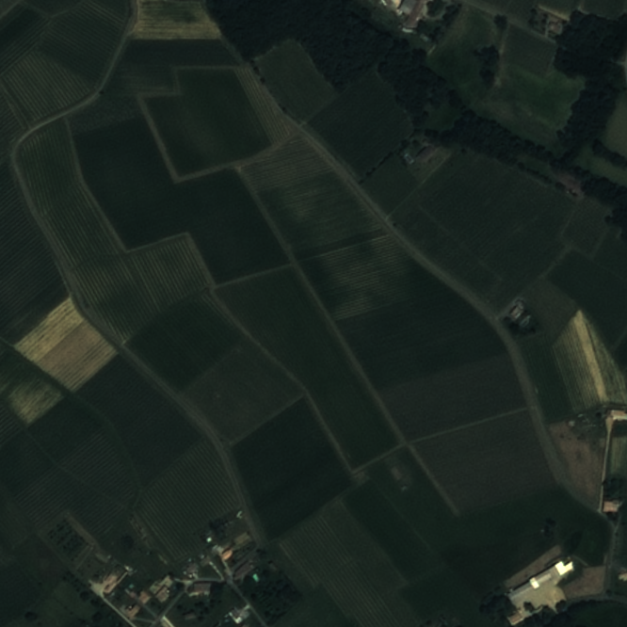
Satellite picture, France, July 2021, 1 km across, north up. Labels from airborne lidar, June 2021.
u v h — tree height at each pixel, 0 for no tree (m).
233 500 0
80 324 0
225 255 0
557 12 0
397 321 0
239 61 0
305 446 0
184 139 0
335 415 0
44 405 0
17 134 0
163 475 0
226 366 0
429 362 0
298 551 0
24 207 0
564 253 0
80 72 0
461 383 0
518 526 0
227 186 0
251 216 0
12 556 0
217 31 0
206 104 0
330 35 26
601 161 0
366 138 0
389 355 0
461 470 0
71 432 0
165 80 0
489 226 0
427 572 0
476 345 0
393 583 0
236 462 0
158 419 0
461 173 0
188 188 0
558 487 0
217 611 0
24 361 0
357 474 0
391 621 0
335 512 0
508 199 0
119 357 0
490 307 0
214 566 0
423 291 0
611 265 0
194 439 0
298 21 21
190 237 0
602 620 0
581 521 0
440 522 0
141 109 0
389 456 0
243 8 25
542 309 0
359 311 0
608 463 0
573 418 0
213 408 0
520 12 0
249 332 0
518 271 0
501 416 0
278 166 0
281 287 0
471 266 0
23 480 0
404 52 23
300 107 0
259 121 0
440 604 0
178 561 0
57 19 0
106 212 0
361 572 0
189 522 0
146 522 0
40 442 0
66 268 0
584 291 0
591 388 0
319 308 0
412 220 0
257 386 0
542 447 0
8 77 0
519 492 0
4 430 0
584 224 0
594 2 0
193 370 0
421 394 0
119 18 0
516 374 0
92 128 0
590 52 17
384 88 0
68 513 0
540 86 0
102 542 0
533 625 19
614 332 0
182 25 0
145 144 0
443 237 0
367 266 0
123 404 0
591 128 18
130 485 0
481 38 0
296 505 0
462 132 27
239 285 0
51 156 0
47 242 0
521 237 0
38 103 0
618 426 0
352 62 22
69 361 0
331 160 0
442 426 0
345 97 0
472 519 0
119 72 0
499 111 0
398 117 0
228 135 0
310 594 0
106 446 0
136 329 0
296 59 0
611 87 26
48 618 0
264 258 0
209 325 0
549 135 0
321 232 0
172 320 0
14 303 0
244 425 0
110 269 0
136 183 0
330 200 0
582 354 0
